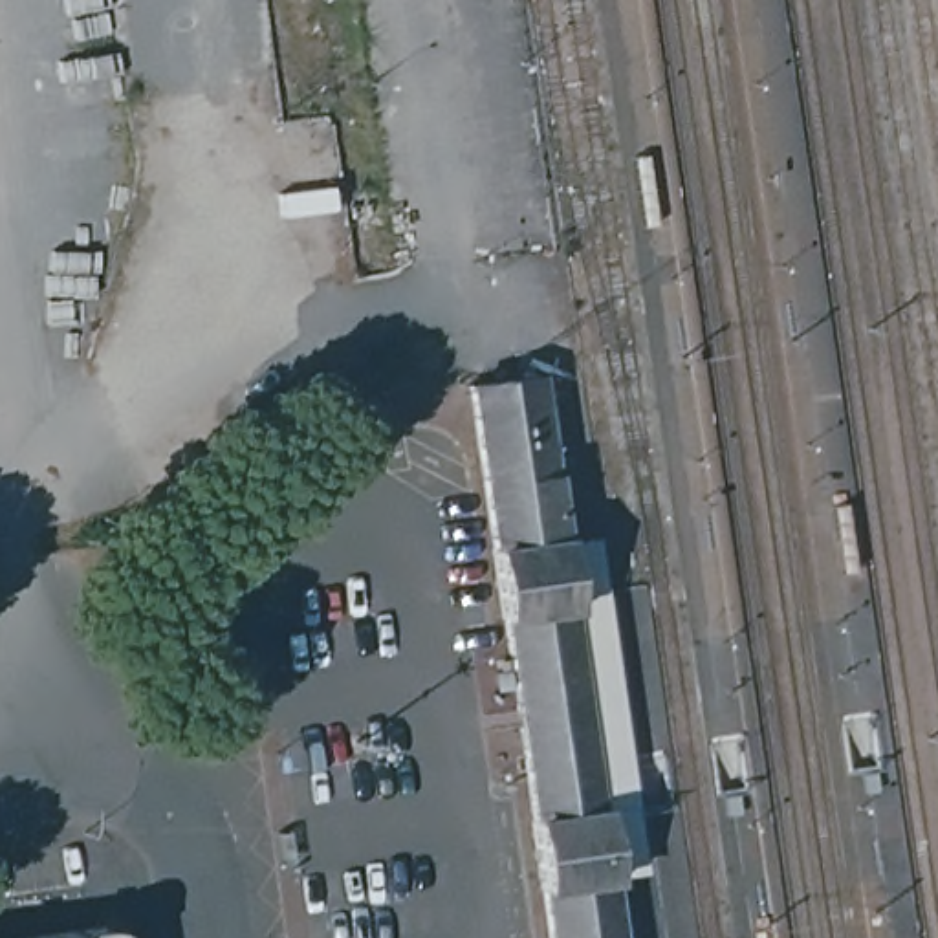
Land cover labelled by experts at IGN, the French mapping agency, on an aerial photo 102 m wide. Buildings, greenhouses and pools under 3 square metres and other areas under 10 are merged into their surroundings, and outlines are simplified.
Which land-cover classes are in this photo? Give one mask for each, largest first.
<instances>
[{"label":"pervious surface","instance_id":"1","mask_svg":"<svg viewBox=\"0 0 938 938\"><path fill-rule=\"evenodd\" d=\"M311 0H267L271 62L282 117L249 103V81L242 73H231L227 103L220 106H213L205 95H176L154 103V121L169 125L172 139L154 143L147 150L143 180L154 183L150 220L136 235L132 260L125 271V293L99 355V385L110 396L103 403V421L117 429L121 447L132 451L143 480L150 484V495L154 506L169 498V487L180 484V473L205 458V436L227 414L249 399L253 377H264V370L297 337V308L311 293L315 278L333 275V286L341 289L359 282H388L418 260L410 224L421 220V209H414V202L407 198H392L388 132L381 117L374 62L355 70L341 62L333 26L308 22ZM520 48L509 55V77L513 84L531 88V106L509 114V136L524 154H531V176L546 180L539 198L550 202L557 235H528L517 249H502L498 260L506 267L520 260L539 267V282L550 289L561 311V333L550 344L575 352L583 429L586 440L601 447L605 495L619 498L638 517L630 590L638 612L652 751H667V788L682 791V802L671 817L667 854L652 857L649 865L634 868L638 879L652 883L660 938H938V0H517Z\"/></svg>","mask_w":938,"mask_h":938},{"label":"impervious surface","instance_id":"2","mask_svg":"<svg viewBox=\"0 0 938 938\"><path fill-rule=\"evenodd\" d=\"M374 62L381 117L388 132L392 198H407L414 202V209H421V220L410 224L418 260L388 282H359L341 289L333 286V275L315 278L311 293L297 308V337L264 370V377H253L249 399L227 414L231 421H260L267 410L282 403V396L304 392L311 381H322L326 388L352 392L355 414L381 418L388 425L385 443H396L385 476L366 495L355 491L348 498L337 531L326 542L308 546L300 564H282L264 586L245 594L235 608L231 641L245 649V663L238 667V674L256 682L260 711L267 718L260 740H253L238 762L220 769L172 766L169 758L136 747L110 674L88 663L73 634L70 612L77 583L88 575V568L103 561L99 542H77L81 520L150 495V484L143 480L132 451L121 447L117 429L103 421V403L110 396L99 385V374H81L84 359H77V337H84L88 326L84 304L99 289H106V275L114 271V256L106 245V238L114 235V220H106L114 187L110 88L117 81L121 88H128L132 81H147V103H154L176 95H205L213 106H220L227 103L231 73H242L249 81V103L282 117L271 62L267 0H0V938H546L517 696L498 689V678L524 682V663L520 652L509 656L502 601L495 590L480 454L469 410L473 388L520 385L528 392L539 370L561 377L557 403L568 447V476L575 491L579 539L605 542L608 550V579L616 597L641 773L638 795L645 799L652 857L667 854L671 817L682 802V791L667 788V751H652L638 612L630 590L638 517L619 498L605 495L601 447L586 440L583 429L575 352L550 344L561 333V311L550 289L539 282V267L520 260L506 267L498 260L502 249H517L528 235H557L550 202L539 198L546 180L531 176V154H524L509 136V114L531 106V88L513 84L509 77V55L520 48L517 0H366ZM638 938H660L652 883L638 879L630 887Z\"/></svg>","mask_w":938,"mask_h":938},{"label":"deciduous trees","instance_id":"3","mask_svg":"<svg viewBox=\"0 0 938 938\"><path fill-rule=\"evenodd\" d=\"M308 22L333 26L341 62L355 70L374 62L366 0H311ZM388 425L381 418L355 414L352 392L326 388L322 381H311L304 392L282 396V403L267 410L260 421H231L227 414L205 436V458L180 473V484L169 487V498L154 506L150 495L81 520L77 542H99L103 561L88 568V575L77 583L70 612L73 634L88 663L110 674L136 747L169 758L172 766L220 769L238 762L253 740H260L267 718L260 711L256 682L238 674V667L245 663V649L231 641L235 608L245 594L264 586L282 564H300L308 546L326 542L337 531L348 498L355 491L366 495L385 476L396 443H385Z\"/></svg>","mask_w":938,"mask_h":938},{"label":"building","instance_id":"4","mask_svg":"<svg viewBox=\"0 0 938 938\"><path fill-rule=\"evenodd\" d=\"M561 377L539 370L528 392L520 385L473 388L469 410L480 454L495 590L502 601L509 656L520 652L524 663V682L498 678V689L517 696L546 938H638L630 887L638 879L634 868L649 865L652 857L645 799L638 795L641 773L616 597L608 579V550L605 542L579 539L575 491L568 476V447L557 403Z\"/></svg>","mask_w":938,"mask_h":938},{"label":"herbaceous vegetation","instance_id":"5","mask_svg":"<svg viewBox=\"0 0 938 938\"><path fill-rule=\"evenodd\" d=\"M114 187L106 220H114V235L106 238V245L114 256V271L106 275V289H99L84 304L88 326L84 337H77V359H84L81 374H99V355L125 293V271L132 260L136 235L150 220L154 183L143 180L147 150L154 143L172 139L169 125L154 121V103H147V81H132L128 88H121L117 81L110 88Z\"/></svg>","mask_w":938,"mask_h":938}]
</instances>
